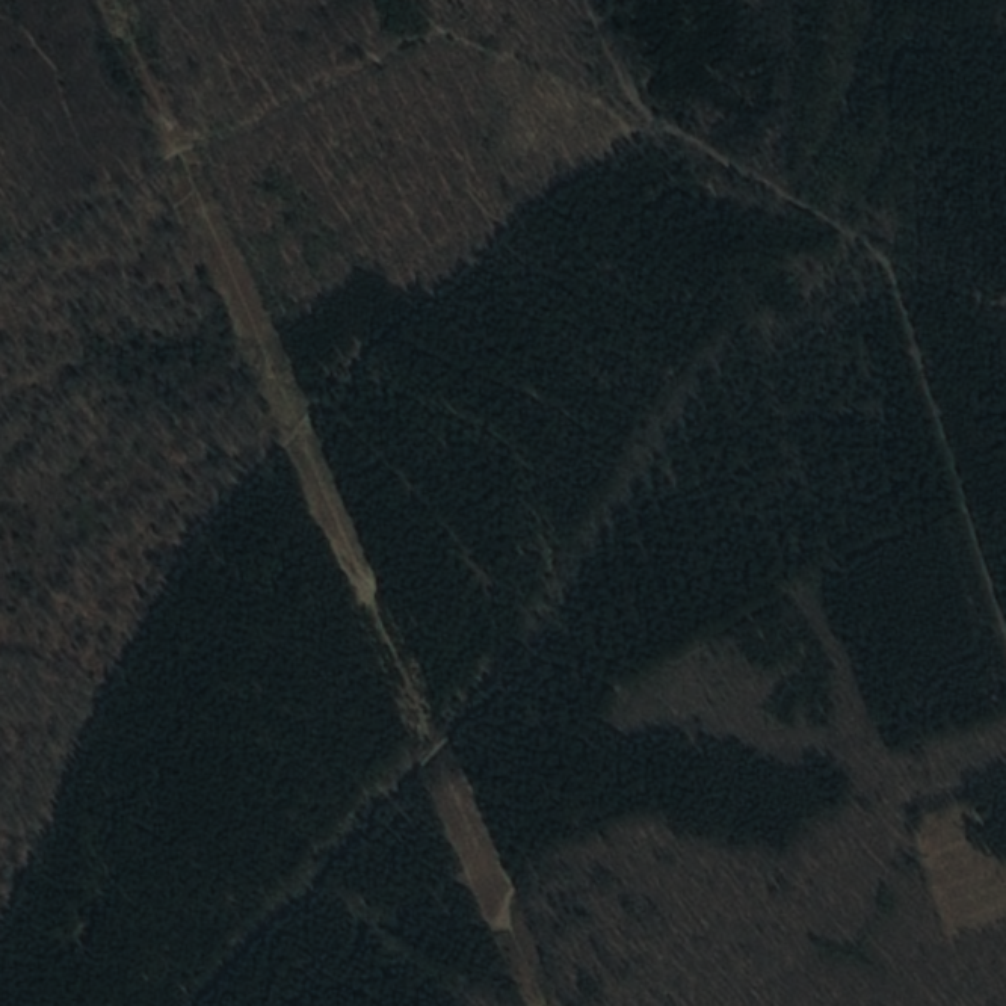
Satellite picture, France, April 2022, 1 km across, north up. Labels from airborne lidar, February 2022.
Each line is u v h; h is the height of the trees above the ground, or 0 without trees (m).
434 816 15
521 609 28
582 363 20
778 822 17
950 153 23
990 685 27
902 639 25
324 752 20
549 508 26
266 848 19
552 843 24
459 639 25
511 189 17
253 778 19
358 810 13
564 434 21
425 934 22
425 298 16
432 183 0
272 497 35
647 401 24
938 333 21
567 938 19
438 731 7
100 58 13
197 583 30
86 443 29
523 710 28
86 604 27
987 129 24
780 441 28
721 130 12
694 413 21
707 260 23
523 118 0
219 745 25
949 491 25
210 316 28
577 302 32
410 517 28
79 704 28
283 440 15
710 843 20
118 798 20
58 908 32
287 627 25
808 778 21
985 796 26
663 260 22
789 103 23
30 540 9
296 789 25
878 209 25
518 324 30
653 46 8
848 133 17
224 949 18
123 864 30
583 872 21
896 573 26
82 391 27
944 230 21
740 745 17
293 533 28
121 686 27
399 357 27
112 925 28
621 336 20
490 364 28
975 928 0
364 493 32
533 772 27
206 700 26
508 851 29
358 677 22
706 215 22
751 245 27
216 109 0
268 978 28
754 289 20
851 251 7
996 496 20
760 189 22
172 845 23
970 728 28
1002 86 28
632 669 34
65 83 9
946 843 0
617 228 23
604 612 32
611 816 24
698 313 26
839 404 25
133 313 28
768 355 19
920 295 27
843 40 16
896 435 28
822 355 22
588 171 18
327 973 23
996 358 15
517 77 0
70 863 27
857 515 30
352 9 12
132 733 24
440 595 29
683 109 10
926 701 25
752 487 34
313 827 14
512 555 25
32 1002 28
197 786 29
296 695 24
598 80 26
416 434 27
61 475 29
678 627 26
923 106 31
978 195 23
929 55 20
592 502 26
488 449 28
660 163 26
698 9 10
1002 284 22
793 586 28
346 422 22
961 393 25
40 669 28
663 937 23
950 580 22
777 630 13
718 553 31
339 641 22
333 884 24
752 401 26
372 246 0
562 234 28
